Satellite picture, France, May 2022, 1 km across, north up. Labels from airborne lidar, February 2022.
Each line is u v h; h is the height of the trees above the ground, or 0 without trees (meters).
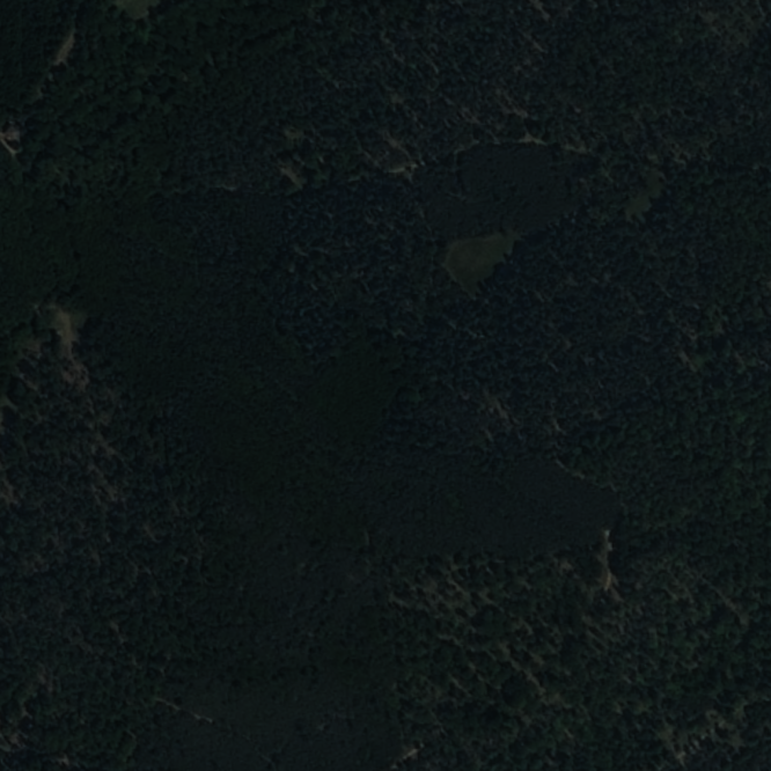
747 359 24
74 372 26
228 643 12
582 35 31
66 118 23
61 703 26
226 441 17
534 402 25
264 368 19
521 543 16
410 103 31
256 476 19
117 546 29
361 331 26
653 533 29
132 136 32
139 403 18
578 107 31
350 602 13
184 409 20
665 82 30
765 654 26
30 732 33
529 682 27
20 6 18
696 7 23
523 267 34
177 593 28
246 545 11
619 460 29
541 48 28
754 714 14
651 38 34
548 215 12
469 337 6
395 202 30
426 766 30
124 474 28
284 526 12
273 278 14
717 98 10
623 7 27
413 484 19
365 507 21
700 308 31
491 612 25
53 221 21
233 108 32
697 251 31
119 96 27
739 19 35
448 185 11
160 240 18
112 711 25
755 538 27
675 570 28
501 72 35
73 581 30
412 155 27
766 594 25
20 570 29
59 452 22
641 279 27
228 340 19
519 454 29
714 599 25
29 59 23
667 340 29
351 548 9
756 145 15
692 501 31
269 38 30
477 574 26
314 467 17
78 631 27
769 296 37
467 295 11
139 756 14
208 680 9
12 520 30
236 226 17
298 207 24
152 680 23
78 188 30
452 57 31
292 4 27
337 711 26
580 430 27
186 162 35
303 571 11
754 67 7
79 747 31
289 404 18
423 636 27
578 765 22
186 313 22
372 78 11
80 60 25
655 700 33
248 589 11
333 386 18
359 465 22
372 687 13
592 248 28
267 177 24
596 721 28
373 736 10
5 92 17
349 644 11
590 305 9
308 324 13
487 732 31
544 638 26
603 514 15
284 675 14
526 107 28
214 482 13
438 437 32
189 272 21
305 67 31
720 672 9
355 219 30
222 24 30
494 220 12
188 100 29
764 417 29
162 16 22
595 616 24
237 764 12
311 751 11
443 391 31
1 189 23
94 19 19
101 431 29
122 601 28
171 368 22
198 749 13
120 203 21
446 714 29
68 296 20
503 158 12
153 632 21
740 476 29
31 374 33
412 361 26
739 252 28
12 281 21
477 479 15
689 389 34
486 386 28
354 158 9
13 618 30
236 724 13
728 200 25
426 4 28
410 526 18
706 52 34
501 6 28
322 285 31
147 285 16
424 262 12
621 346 8
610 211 29
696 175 25
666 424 27
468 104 31
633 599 27
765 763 9
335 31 30
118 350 21
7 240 19
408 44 31
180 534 22
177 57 33
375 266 34
